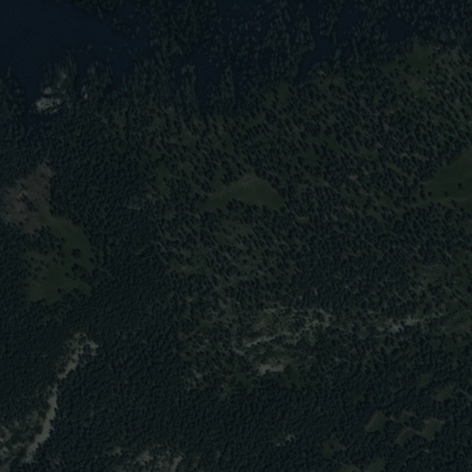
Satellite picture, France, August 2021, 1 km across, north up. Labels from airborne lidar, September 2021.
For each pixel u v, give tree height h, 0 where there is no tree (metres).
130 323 19
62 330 14
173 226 19
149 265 22
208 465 17
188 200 16
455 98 22
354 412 25
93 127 9
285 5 33
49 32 11
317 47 7
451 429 23
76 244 0
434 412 23
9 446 14
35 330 15
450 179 0
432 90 8
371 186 25
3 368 21
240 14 11
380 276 21
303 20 7
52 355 13
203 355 21
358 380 25
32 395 14
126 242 12
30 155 22
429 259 26
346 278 9
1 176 21
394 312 19
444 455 16
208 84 9
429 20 7
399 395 22
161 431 19
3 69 13
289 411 19
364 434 20
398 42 9
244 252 17
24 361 20
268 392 23
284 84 0
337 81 0
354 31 32
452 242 23
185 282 21
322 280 20
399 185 21
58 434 19
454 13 18
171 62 13
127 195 13
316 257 29
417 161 23
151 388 28
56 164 14
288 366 12
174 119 0
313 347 7
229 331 12
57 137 12
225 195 0
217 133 15
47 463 10
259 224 23
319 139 0
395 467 25
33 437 15
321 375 17
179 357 19
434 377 9
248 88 7
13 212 0
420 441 22
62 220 0
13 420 12
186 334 8
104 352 10
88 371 25
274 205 0
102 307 21
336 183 24
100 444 19
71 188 8
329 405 23
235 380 9
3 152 24
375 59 10
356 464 17
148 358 23
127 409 16
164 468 6
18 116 9
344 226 20
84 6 27
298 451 17
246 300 26
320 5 21
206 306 20
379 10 7
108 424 21
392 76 12
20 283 9
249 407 21
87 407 15
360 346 25
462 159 0
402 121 15
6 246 9
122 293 19
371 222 21
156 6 6
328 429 25
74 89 6
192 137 0
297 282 22
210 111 16
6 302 8
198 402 24
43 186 0
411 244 24
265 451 24
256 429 23
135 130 16
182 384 12
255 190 0
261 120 0
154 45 27
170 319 16
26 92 14
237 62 20
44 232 16
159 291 18
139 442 13
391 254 11
